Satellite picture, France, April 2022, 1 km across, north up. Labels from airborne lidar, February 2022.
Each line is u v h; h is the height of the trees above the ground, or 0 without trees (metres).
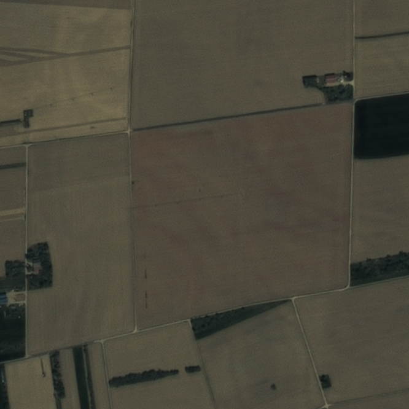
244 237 0
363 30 0
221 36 0
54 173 0
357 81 0
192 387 0
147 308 0
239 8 0
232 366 0
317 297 0
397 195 0
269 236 0
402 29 0
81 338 0
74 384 0
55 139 0
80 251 0
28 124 0
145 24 0
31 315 0
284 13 0
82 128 0
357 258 0
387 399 0
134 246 0
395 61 0
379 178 0
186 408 0
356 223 0
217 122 0
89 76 0
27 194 0
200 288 0
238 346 0
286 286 0
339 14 0
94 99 0
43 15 0
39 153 0
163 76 0
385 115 0
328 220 0
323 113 0
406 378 0
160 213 0
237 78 0
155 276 0
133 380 10
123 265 0
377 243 0
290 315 0
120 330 0
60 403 0
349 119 0
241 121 0
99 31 0
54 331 0
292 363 0
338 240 0
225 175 0
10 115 0
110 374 0
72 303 0
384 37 0
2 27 0
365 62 0
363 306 0
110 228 0
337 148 0
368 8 0
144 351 0
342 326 0
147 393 0
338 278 0
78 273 0
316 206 0
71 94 0
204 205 0
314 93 0
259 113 0
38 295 0
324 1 0
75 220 0
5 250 0
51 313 0
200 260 0
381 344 0
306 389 0
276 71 0
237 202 0
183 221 0
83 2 0
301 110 0
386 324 0
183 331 0
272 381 0
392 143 0
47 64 0
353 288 0
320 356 0
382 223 0
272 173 0
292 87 0
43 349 0
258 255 0
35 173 0
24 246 0
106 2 0
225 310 0
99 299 0
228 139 0
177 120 0
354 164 0
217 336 0
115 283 0
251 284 0
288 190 0
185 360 0
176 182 0
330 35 0
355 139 0
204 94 0
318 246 0
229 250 0
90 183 0
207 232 0
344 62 0
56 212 0
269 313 0
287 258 0
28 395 0
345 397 0
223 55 0
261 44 0
